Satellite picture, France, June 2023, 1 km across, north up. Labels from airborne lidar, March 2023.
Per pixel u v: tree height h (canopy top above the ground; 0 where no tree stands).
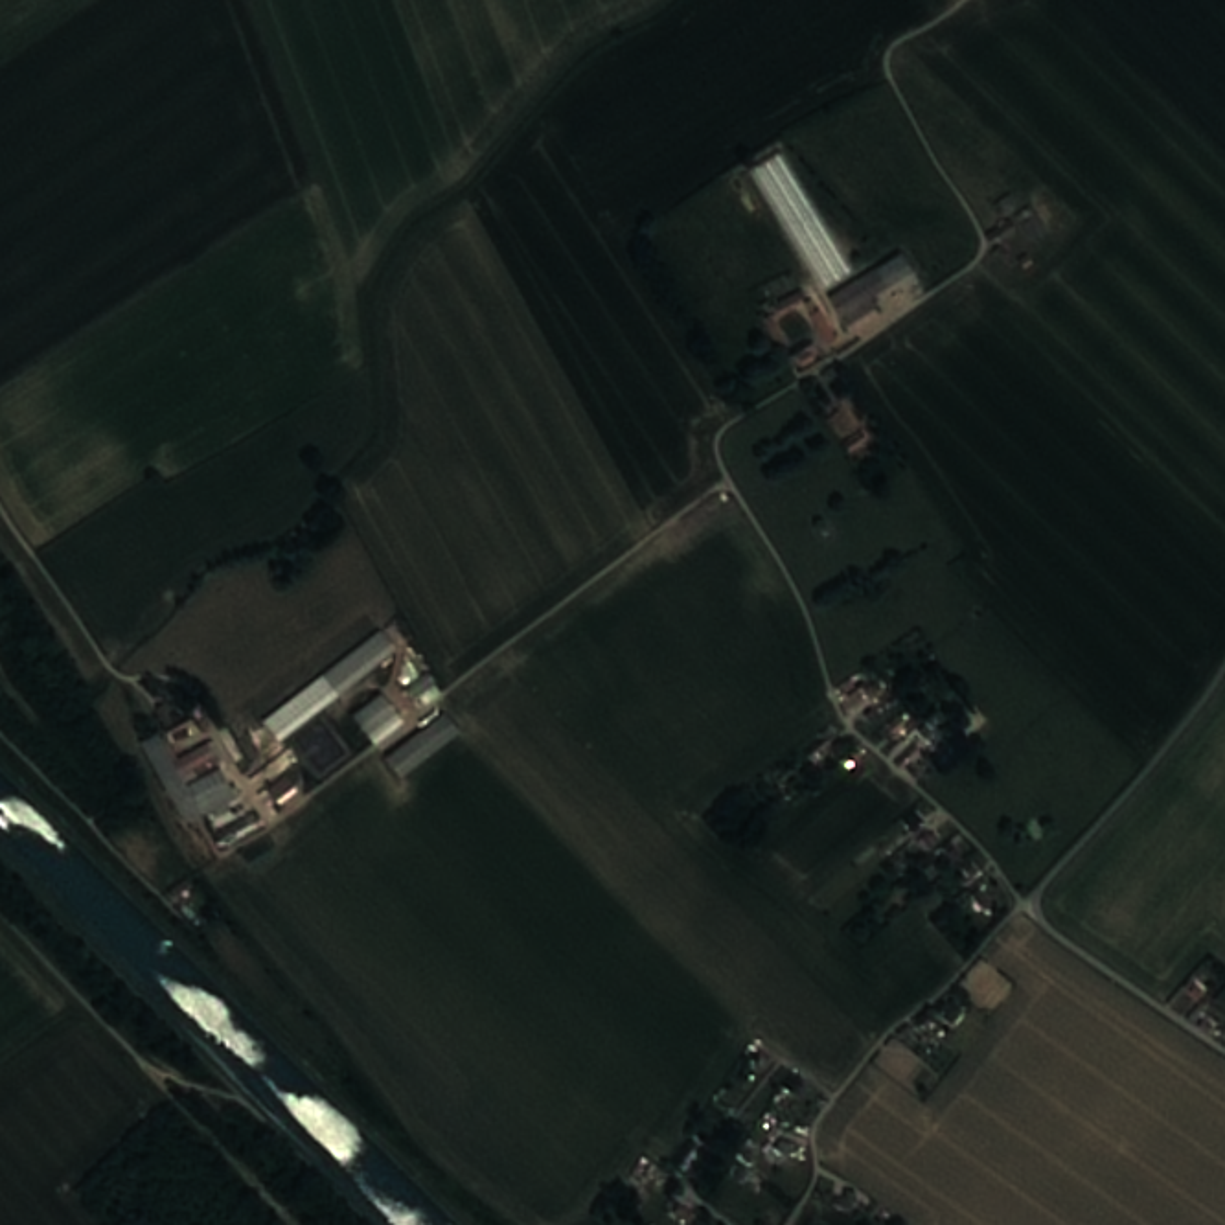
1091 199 0
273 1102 0
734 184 0
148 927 0
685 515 0
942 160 0
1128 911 0
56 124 0
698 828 0
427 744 0
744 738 0
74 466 0
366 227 0
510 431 0
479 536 0
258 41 0
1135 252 0
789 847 0
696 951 0
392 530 0
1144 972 0
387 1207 0
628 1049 0
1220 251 0
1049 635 0
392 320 0
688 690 0
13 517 0
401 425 0
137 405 0
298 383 0
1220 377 0
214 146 0
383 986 0
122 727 0
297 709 0
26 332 0
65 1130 0
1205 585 0
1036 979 0
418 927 0
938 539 0
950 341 0
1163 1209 0
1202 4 0
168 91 0
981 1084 0
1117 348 0
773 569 0
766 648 0
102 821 6
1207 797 0
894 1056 0
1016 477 0
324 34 0
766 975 0
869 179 0
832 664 0
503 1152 0
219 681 0
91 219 0
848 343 0
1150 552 0
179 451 0
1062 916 0
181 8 0
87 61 0
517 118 0
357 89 0
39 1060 0
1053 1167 0
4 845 0
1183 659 0
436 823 0
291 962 0
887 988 0
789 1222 0
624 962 0
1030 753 0
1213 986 7
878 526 0
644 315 0
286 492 0
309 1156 0
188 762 0
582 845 0
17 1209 0
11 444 0
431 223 0
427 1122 0
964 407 0
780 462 13
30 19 0
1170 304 0
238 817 0
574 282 0
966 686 11
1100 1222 0
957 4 0
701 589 0
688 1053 0
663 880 0
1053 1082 0
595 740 0
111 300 0
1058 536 0
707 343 29
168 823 0
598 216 0
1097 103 0
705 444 0
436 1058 0
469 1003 0
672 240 0
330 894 0
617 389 0
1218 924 0
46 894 0
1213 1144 0
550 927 0
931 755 9
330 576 0
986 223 0
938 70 0
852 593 9
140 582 0
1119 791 0
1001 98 0
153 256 0
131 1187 9
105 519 0
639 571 0
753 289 0
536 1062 0
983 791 0
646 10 0
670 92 0
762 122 0
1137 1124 0
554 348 0
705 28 0
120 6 0
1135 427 0
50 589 0
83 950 11
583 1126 0
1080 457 0
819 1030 0
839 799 0
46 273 0
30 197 0
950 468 0
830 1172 0
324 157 0
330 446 0
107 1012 12
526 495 0
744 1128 9
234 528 0
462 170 0
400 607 0
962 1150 0
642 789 0
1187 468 0
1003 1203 0
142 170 0
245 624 0
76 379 0
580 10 0
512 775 0
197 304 0
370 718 0
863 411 6
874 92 0
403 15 0
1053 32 0
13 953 0
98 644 0
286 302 0
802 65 0
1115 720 0
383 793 0
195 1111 15
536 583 0
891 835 0
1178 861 0
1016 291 0
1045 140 0
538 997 0
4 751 6
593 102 0
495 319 0
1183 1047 0
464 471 0
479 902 0
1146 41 0
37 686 6
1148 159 0
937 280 0
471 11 0
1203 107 0
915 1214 0
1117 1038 0
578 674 0
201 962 0
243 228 0
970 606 0
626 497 0
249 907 0
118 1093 0
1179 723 0
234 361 0
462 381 0
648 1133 0
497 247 0
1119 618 0
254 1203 15
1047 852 0
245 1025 0
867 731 0
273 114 0
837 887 0
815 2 0
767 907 0
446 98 0
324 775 0
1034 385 0
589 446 0
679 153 0
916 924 0
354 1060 0
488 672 0
